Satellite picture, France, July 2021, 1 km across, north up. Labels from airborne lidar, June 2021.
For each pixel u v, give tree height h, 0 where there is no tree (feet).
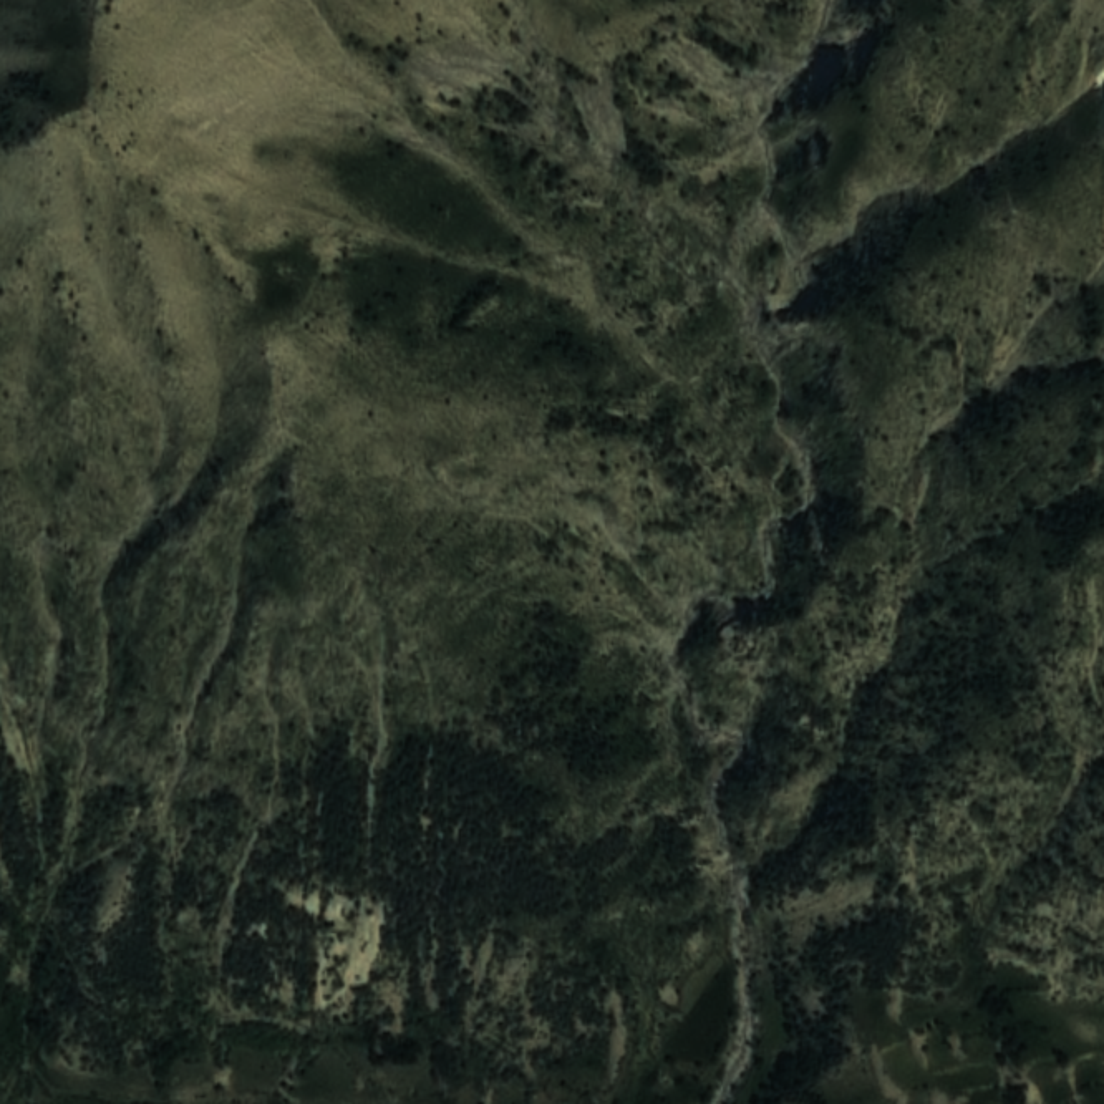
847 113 0
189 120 0
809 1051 44
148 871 31
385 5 0
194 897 22
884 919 24
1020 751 18
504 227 0
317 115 0
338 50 0
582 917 28
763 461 0
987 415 44
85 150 0
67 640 20
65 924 22
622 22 0
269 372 0
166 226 0
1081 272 0
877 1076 0
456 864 18
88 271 0
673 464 20
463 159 0
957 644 19
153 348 0
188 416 0
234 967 18
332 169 0
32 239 0
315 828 22
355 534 0
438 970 29
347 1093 0
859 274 24
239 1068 0
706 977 0
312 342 0
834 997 24
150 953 26
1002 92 0
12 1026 21
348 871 33
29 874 45
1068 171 0
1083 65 0
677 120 0
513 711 18
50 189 0
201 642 0
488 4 0
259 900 22
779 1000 32
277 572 0
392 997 0
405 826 28
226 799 30
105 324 0
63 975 39
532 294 0
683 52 0
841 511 33
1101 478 0
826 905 0
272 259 0
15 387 0
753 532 29
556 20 0
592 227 0
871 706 27
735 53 34
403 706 0
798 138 0
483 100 27
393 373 0
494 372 0
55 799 38
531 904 31
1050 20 0
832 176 0
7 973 41
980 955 17
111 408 0
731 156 0
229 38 0
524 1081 26
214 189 0
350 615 24
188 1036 36
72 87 0
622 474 0
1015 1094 48
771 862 33
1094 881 22
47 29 0
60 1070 0
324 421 0
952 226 0
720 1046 31
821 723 19
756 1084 0
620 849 33
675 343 0
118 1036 21
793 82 0
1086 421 22
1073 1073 0
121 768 0
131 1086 0
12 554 18
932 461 0
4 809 21
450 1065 48
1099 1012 0
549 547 21
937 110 0
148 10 0
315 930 25
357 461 0
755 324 0
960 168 0
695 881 31
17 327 0
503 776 27
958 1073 0
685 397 0
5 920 19
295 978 21
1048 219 0
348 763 18
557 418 31
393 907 17
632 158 22
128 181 0
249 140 0
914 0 0
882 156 0
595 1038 19
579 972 20
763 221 0
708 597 0
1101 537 0
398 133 0
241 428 0
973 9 0
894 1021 0
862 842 18
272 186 0
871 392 0
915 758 20
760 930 0
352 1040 29
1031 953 27
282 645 0
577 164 0
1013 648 21
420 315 0
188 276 0
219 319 0
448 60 0
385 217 0
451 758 39
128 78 0
